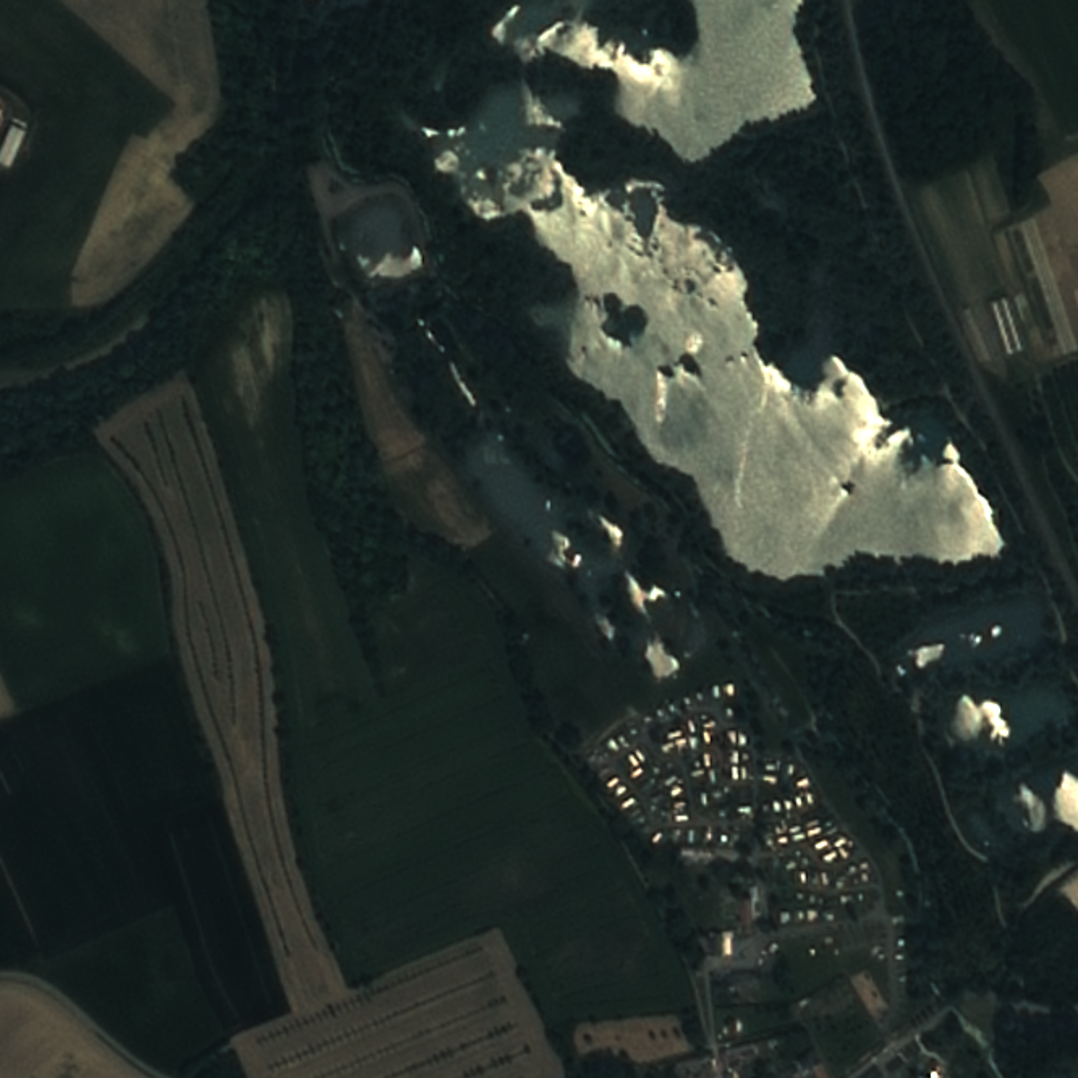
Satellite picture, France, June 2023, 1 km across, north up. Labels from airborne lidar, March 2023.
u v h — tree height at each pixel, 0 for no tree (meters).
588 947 0
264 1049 0
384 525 21
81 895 0
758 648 0
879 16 22
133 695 0
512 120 0
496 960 0
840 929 0
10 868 0
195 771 0
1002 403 0
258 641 0
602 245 0
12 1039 0
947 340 11
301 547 0
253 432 0
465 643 0
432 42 10
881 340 14
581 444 32
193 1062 9
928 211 0
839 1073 0
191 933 0
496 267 7
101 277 0
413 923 0
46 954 0
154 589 0
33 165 0
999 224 0
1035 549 16
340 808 0
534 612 0
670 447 0
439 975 0
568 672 0
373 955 0
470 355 0
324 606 0
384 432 0
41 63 0
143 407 0
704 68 0
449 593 0
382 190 0
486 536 0
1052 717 0
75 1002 0
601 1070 21
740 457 0
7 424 19
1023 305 0
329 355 18
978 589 12
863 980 0
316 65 32
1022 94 27
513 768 0
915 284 15
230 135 11
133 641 0
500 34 0
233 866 0
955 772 23
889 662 12
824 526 0
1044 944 17
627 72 0
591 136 6
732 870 12
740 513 0
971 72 29
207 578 0
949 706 0
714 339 0
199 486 0
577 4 0
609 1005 0
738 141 15
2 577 0
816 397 0
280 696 12
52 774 0
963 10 14
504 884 0
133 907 0
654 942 0
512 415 0
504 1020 0
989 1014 0
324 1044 0
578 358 0
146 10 0
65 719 0
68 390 19
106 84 0
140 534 0
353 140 7
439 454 0
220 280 11
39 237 0
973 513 0
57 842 0
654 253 0
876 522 0
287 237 9
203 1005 0
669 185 0
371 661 10
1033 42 0
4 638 0
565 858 0
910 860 9
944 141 27
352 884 0
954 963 6
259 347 0
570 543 0
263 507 0
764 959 0
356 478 19
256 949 0
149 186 0
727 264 0
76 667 0
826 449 0
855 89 14
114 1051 0
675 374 0
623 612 0
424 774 0
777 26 0
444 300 6
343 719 0
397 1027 0
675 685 0
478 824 0
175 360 14
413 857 0
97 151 0
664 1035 7
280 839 0
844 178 16
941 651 0
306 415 15
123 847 0
